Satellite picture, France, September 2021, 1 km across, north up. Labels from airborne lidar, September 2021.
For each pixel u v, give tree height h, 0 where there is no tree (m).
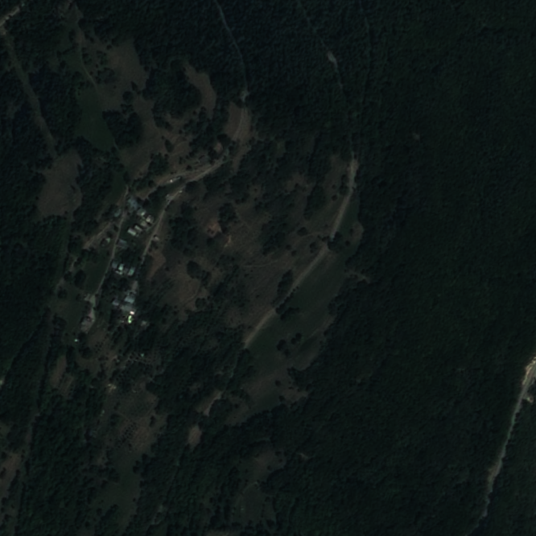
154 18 23
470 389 18
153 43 18
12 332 19
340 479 23
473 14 14
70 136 12
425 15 23
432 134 21
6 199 15
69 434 22
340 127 17
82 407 14
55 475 18
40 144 18
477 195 23
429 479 16
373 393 23
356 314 16
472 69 21
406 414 23
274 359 0
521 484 17
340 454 23
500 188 24
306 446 20
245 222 0
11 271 14
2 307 17
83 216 14
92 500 15
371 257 21
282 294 13
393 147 28
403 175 20
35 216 10
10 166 15
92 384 16
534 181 17
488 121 18
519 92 20
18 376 22
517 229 22
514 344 22
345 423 23
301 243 0
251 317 0
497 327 23
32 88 12
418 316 24
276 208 17
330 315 7
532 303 26
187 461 24
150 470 16
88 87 8
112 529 17
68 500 19
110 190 16
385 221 19
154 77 14
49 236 18
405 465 20
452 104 18
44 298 21
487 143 18
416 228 26
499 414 24
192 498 16
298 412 17
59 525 12
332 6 20
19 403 19
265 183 10
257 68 26
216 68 18
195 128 12
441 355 27
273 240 10
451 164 19
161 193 12
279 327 0
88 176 18
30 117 30
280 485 11
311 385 9
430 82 20
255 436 20
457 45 17
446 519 27
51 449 20
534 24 20
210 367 17
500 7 22
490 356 14
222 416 22
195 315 8
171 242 8
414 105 28
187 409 13
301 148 15
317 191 14
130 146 16
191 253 13
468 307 20
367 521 22
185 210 13
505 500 24
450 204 26
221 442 22
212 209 0
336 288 0
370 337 19
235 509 7
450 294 19
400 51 17
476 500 24
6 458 19
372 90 20
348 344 18
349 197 0
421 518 19
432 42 26
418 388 29
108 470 14
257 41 23
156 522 11
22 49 9
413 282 22
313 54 25
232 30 21
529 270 13
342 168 0
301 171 13
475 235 21
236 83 16
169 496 14
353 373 16
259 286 0
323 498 20
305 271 0
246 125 0
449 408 21
